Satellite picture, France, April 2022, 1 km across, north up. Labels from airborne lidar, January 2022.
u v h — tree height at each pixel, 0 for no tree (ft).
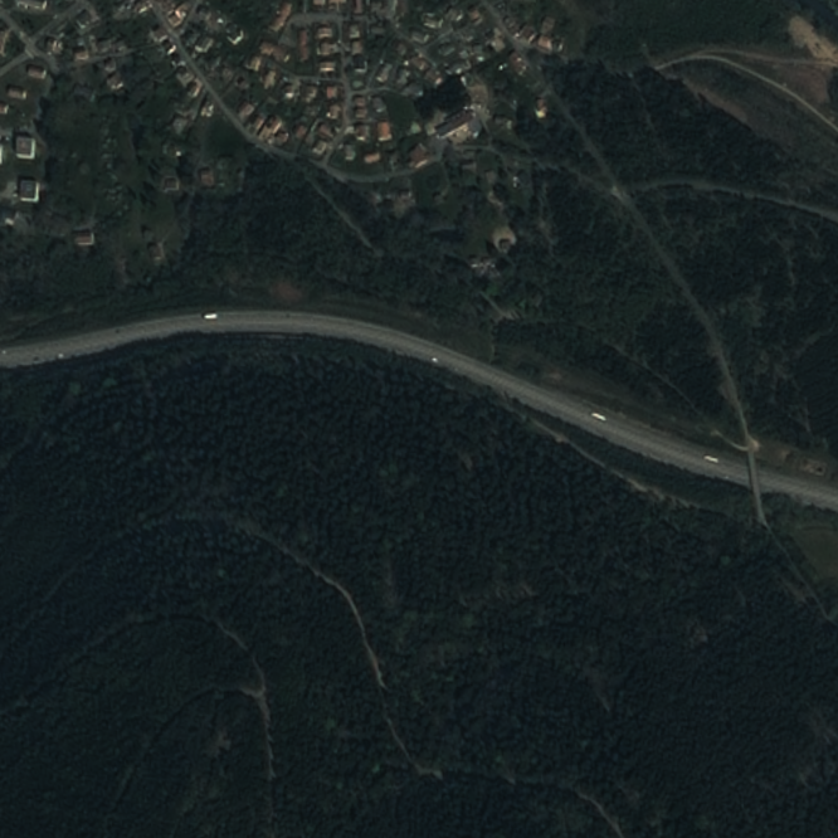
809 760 80
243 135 0
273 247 42
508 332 32
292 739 51
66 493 41
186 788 39
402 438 99
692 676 90
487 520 108
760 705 82
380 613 72
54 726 35
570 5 0
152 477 38
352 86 0
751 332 45
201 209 68
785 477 0
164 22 0
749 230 23
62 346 0
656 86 63
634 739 85
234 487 61
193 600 41
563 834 81
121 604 47
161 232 0
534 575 81
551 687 77
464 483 114
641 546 80
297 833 88
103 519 69
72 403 77
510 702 80
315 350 40
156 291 51
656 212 37
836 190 47
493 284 56
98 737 38
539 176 44
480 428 96
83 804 51
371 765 121
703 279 38
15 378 38
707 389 56
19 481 54
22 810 44
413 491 114
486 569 79
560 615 94
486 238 0
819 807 93
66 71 50
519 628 84
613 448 34
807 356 38
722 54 0
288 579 94
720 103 0
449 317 53
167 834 54
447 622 75
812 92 0
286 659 56
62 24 0
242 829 89
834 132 0
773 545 46
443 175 0
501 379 0
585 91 49
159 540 61
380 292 38
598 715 90
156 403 65
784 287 40
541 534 102
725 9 41
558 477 69
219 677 52
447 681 110
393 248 57
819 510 34
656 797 52
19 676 34
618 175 37
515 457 125
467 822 52
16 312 56
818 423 41
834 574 0
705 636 80
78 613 32
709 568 95
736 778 71
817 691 105
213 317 0
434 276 51
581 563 86
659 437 0
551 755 77
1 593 39
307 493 115
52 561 26
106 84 19
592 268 52
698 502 37
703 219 33
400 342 0
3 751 32
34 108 0
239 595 68
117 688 37
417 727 108
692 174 41
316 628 85
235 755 34
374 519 98
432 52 0
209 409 98
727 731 70
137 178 0
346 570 104
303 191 42
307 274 48
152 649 26
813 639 115
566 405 0
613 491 24
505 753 88
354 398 102
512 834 65
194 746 42
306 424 95
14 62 0
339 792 64
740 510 34
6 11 0
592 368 40
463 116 0
